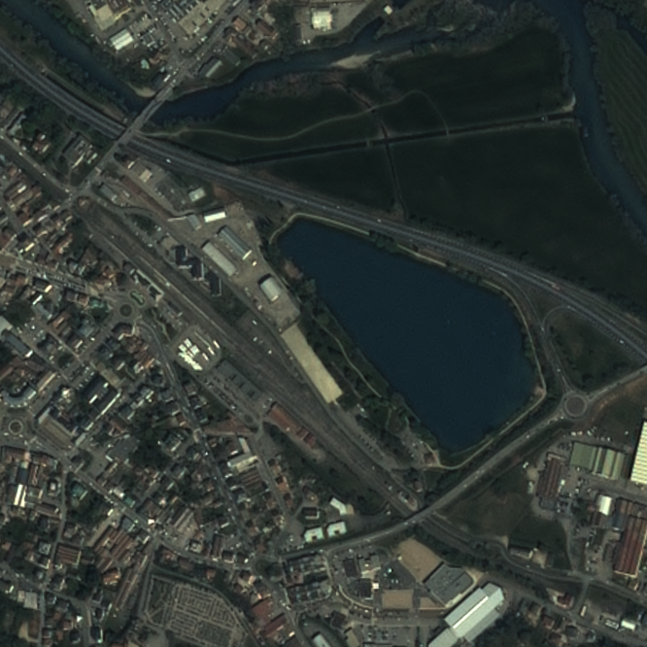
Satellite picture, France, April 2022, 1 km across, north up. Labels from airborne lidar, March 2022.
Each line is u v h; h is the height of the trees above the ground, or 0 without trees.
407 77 0
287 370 0
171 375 0
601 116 0
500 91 0
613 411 0
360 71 0
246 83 0
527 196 0
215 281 0
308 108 0
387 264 0
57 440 0
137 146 0
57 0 0
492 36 24
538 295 0
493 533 0
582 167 0
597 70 16
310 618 0
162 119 0
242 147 0
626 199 0
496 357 0
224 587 0
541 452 0
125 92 0
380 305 0
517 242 0
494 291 0
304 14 0
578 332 0
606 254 0
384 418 0
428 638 0
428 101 0
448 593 0
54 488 0
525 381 0
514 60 0
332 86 0
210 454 5
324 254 0
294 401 0
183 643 0
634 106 0
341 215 0
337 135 0
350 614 0
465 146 0
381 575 0
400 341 0
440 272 0
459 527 0
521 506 0
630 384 0
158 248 0
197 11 0
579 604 0
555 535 0
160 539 0
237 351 0
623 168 0
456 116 0
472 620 0
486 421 0
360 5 0
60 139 19
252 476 0
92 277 14
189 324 0
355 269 0
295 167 0
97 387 0
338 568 0
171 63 0
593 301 0
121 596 0
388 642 0
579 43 0
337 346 0
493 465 0
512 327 0
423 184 0
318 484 0
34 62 0
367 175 0
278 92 6
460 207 0
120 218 0
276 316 0
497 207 0
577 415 0
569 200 0
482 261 0
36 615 8
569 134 0
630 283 0
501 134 0
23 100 16
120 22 0
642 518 0
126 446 0
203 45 0
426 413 0
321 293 0
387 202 0
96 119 0
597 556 0
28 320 0
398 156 0
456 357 0
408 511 0
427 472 0
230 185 0
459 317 0
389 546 0
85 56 0
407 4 0
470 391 0
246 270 0
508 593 0
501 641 0
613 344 0
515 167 0
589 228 0
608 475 0
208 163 0
